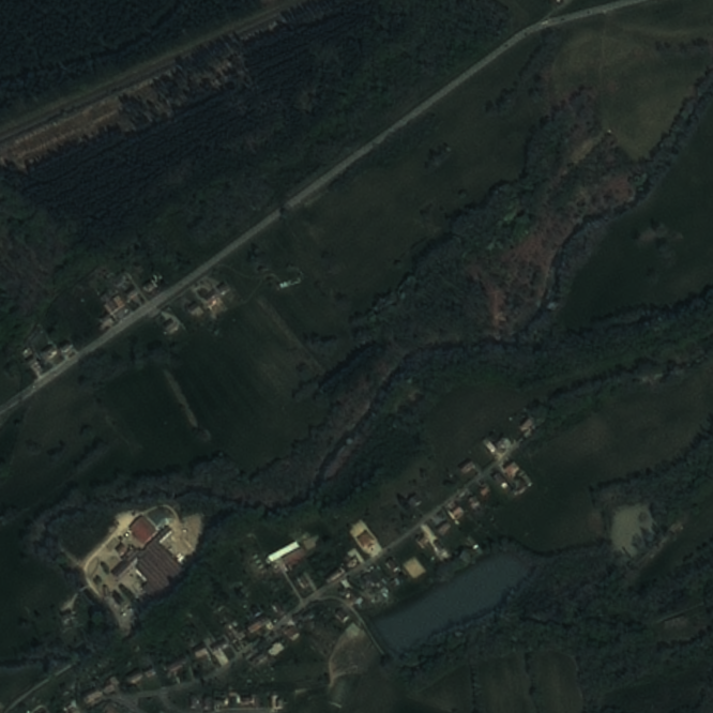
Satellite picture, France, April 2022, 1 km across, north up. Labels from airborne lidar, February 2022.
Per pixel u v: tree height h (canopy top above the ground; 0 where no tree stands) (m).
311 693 0
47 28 32
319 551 11
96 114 25
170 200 27
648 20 0
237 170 24
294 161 19
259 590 0
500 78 0
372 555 0
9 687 0
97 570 0
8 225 25
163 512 12
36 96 32
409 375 22
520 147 0
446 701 0
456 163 0
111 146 23
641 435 0
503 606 14
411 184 0
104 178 21
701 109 23
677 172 0
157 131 23
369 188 0
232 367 0
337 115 21
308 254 0
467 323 26
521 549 17
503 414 0
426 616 0
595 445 0
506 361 28
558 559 19
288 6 0
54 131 26
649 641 22
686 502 20
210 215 27
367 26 25
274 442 0
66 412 0
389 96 20
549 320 23
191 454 0
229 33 0
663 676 7
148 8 29
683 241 0
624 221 0
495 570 0
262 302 0
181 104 22
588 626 22
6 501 0
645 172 20
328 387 19
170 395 0
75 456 0
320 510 19
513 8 0
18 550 0
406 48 27
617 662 15
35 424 0
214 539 31
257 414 0
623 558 17
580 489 0
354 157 0
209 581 25
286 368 0
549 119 8
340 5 22
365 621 0
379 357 19
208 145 23
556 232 13
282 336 0
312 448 14
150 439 0
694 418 0
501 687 0
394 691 0
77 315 0
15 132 0
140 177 22
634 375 13
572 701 0
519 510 0
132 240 23
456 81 0
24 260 31
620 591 16
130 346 0
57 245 29
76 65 30
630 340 18
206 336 0
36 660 26
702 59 0
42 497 0
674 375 18
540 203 19
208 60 25
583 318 0
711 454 25
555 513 0
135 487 13
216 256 0
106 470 0
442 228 0
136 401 0
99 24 28
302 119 31
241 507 18
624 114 0
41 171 25
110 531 0
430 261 26
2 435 0
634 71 0
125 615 0
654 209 0
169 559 0
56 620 0
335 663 0
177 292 0
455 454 0
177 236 0
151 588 0
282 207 0
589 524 0
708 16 0
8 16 33
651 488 24
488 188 0
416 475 0
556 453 0
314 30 23
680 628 0
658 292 0
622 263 0
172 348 7
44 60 27
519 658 0
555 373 18
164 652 6
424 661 13
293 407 0
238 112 22
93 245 28
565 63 0
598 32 0
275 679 0
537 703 8
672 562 0
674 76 0
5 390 0
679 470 22
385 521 0
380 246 0
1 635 0
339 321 0
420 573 0
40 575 0
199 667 10
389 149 13
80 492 25
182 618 18
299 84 24
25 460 0
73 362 0
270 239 0
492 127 0
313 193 0
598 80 0
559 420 10
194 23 25
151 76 0
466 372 22
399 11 25
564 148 10
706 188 0
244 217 23
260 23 0
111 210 23
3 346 7
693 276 0
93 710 7
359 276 0
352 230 0
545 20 0
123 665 0
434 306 26
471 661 17
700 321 26
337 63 27
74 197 25
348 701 0
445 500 0
